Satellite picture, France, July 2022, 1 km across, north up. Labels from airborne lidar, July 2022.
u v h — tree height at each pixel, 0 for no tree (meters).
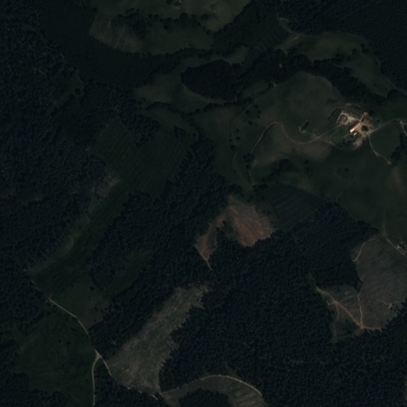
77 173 31
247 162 15
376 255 0
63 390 0
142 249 25
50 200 26
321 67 26
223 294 36
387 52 21
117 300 15
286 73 29
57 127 32
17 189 31
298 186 0
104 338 22
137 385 0
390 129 0
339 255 30
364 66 0
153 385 0
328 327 26
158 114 0
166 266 32
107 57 11
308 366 22
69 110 26
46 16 12
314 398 29
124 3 0
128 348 0
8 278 39
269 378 31
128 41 0
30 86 23
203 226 33
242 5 0
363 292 0
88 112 28
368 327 0
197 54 11
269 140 0
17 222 29
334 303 0
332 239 29
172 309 0
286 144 0
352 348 24
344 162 0
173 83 0
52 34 11
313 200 0
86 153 33
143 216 28
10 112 25
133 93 8
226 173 0
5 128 41
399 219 0
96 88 27
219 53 11
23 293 40
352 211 0
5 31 16
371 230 26
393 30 21
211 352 27
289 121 0
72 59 11
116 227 22
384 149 0
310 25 16
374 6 19
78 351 0
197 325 25
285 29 0
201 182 32
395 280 0
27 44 11
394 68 19
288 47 0
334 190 0
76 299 0
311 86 0
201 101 0
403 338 16
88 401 0
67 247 0
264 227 0
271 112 0
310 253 33
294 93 0
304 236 34
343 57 13
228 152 0
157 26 0
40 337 0
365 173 0
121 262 29
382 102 17
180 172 0
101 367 6
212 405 17
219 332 34
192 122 15
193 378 27
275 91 0
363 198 0
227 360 27
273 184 0
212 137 0
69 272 0
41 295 39
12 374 15
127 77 8
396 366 25
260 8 14
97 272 31
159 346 0
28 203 0
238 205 0
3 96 27
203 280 30
